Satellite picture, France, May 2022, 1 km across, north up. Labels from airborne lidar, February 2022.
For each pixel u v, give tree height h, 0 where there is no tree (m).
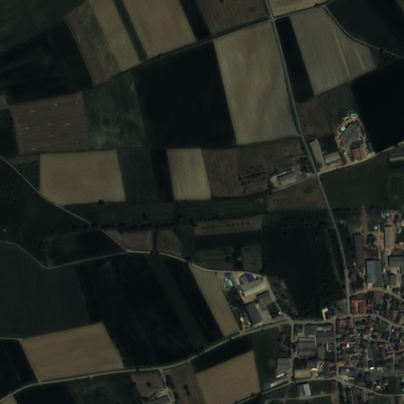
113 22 0
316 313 0
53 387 0
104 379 0
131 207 0
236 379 0
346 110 0
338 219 0
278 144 0
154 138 0
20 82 0
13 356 0
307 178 0
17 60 0
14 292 0
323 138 0
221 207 0
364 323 0
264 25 0
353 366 0
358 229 0
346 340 0
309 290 0
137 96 0
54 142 0
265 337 0
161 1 0
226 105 0
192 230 0
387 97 0
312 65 0
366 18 0
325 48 0
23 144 0
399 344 0
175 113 0
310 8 0
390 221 0
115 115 0
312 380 0
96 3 0
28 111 0
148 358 0
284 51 0
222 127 0
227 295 0
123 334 0
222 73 0
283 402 0
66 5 0
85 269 0
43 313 0
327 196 0
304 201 0
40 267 0
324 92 0
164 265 0
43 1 0
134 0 0
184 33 0
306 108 0
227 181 0
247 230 0
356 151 0
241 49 0
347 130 0
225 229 0
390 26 0
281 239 0
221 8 0
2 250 0
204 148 0
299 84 0
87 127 0
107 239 0
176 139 0
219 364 0
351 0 0
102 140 0
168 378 10
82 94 0
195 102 0
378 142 0
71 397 0
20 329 0
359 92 0
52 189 0
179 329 0
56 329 0
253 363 0
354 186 0
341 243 0
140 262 0
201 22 0
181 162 0
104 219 0
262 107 0
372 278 0
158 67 0
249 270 0
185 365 0
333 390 0
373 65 0
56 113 0
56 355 0
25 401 0
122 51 0
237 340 0
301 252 0
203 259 0
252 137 0
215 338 0
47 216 0
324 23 0
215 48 0
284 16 0
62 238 0
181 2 0
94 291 0
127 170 0
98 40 0
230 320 0
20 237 0
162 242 0
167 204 0
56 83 0
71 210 0
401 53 0
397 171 0
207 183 0
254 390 0
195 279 0
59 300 0
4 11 0
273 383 0
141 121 0
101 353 0
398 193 0
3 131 0
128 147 0
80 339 0
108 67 0
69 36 0
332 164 0
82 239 0
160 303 0
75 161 0
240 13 0
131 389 14
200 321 0
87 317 0
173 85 0
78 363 0
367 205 0
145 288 0
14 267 0
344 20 0
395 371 0
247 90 0
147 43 0
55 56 0
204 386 0
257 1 0
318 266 0
